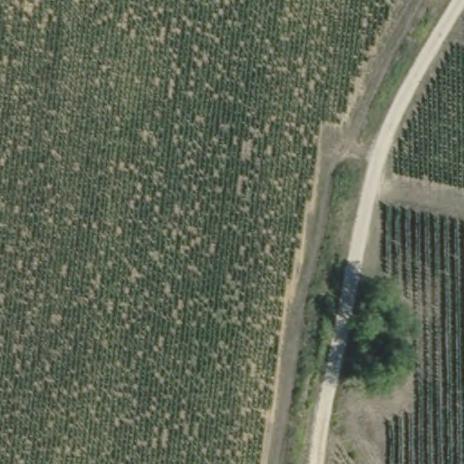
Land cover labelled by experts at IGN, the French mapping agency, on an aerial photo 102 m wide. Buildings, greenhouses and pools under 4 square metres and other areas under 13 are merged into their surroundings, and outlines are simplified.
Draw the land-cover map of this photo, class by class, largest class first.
<instances>
[{"label":"vineyard","instance_id":"1","mask_svg":"<svg viewBox=\"0 0 464 464\"><path fill-rule=\"evenodd\" d=\"M393 0H0V464H259L265 435L263 415L272 406V390L259 388L257 382L263 379L265 382L274 381L275 359L279 348L277 330L281 326L279 321L283 312L281 301L285 294L286 281H290L292 277L295 248H299L304 205L312 194L310 179L314 176L317 156L315 134L319 132V125L323 121L339 123L341 114L346 111L348 94L353 91V78L359 76V65L368 60V49L375 42V34L379 27L386 22ZM390 156L393 159L395 174L411 178H428L437 183L464 188V11L451 27L446 42L442 43L440 53L431 63L430 69L426 71L417 91L413 94L410 105L402 116ZM381 266L372 275L379 277L399 281L404 301L411 304L413 312L419 317L422 332L419 339H415L411 344L415 352L419 353L420 359L415 362V372L411 379V413L393 415V419L381 422L368 419L366 413L359 415L357 411H348L346 433L337 437L328 431L324 464H464V219L433 216L428 212H415L413 208H397L379 203V207Z\"/></svg>","mask_w":464,"mask_h":464},{"label":"herbaceous vegetation","instance_id":"2","mask_svg":"<svg viewBox=\"0 0 464 464\"><path fill-rule=\"evenodd\" d=\"M451 0H393L386 22L379 27L375 34V42L368 49V60L359 65V76L353 78V91L348 94L346 111L341 114L339 123L323 121L319 125V132L315 134L317 156L314 176L310 179L312 194L304 205L299 248H295L292 277L290 281H286L285 294L281 301L283 312L279 321L281 326L277 330L279 348L275 359L274 381L265 382L263 379L257 382L259 388L272 390V406L263 415L265 435L259 464H292V451L297 437V411L288 410V406L294 388L297 352L308 344V341L319 348L323 341L324 321L328 319L332 323H335V315L341 312L339 301L343 292L344 270L350 265L348 252L352 241L353 223L357 217L362 181L368 169L373 141L381 130L382 121L390 111L401 83L410 72L415 58L419 56L420 49L428 42L431 31L439 24L440 16L444 14ZM384 178L390 181L391 190L379 203L397 208H413L415 212H428L433 216L464 219V188L437 183L428 178H411L395 174L393 159L390 156L384 165ZM379 207L373 210L364 257L362 261L352 263L355 272L362 274L352 306L350 321L353 323L368 319L370 306L381 281L379 277L372 275L381 266ZM348 411H357L359 415L366 413L368 419L381 422L393 419V415L411 413V379L404 386H395L391 393L370 397L366 393L362 379H339L333 395L332 417L328 431L337 437L346 433Z\"/></svg>","mask_w":464,"mask_h":464},{"label":"pervious surface","instance_id":"3","mask_svg":"<svg viewBox=\"0 0 464 464\"><path fill-rule=\"evenodd\" d=\"M464 11V0H451L444 14L440 16L439 24L431 31L428 42L420 49L419 56L415 58L410 72L401 83L390 111L382 121L381 130L373 141L368 169L362 181L357 217L353 223L352 241L348 252L350 265L344 270L343 292L339 301L341 312L335 315V323H332V346L328 348L324 359L323 368L326 373L319 393V402L315 406L312 448L308 464H324L328 431L332 417L333 395L339 379L344 353L341 343L353 332V323L350 321L352 306L362 274L355 272L352 263L362 261L364 257L373 210L379 207V203L391 190L390 181L384 178V165L390 156L402 116L410 105L413 94L417 91L426 71L430 69L431 63L440 53L442 43L446 42L451 27Z\"/></svg>","mask_w":464,"mask_h":464},{"label":"deciduous trees","instance_id":"4","mask_svg":"<svg viewBox=\"0 0 464 464\"><path fill-rule=\"evenodd\" d=\"M381 281L370 306L368 319L353 323V332L341 343L344 353L339 379H362L366 393L370 397L391 393L395 386H404L411 379L415 372V362L420 359L419 353L415 352L411 344L415 339H419L422 332L419 317L413 312L411 304L404 301L399 281L379 277Z\"/></svg>","mask_w":464,"mask_h":464},{"label":"brushwood","instance_id":"5","mask_svg":"<svg viewBox=\"0 0 464 464\"><path fill-rule=\"evenodd\" d=\"M332 323L328 319L324 321L323 341L319 348L308 341V344L297 352L294 388L288 406V410L297 411V437L292 451V464H308L312 448L315 406L319 402V393L326 373L323 368L324 359L328 348L332 346Z\"/></svg>","mask_w":464,"mask_h":464}]
</instances>
